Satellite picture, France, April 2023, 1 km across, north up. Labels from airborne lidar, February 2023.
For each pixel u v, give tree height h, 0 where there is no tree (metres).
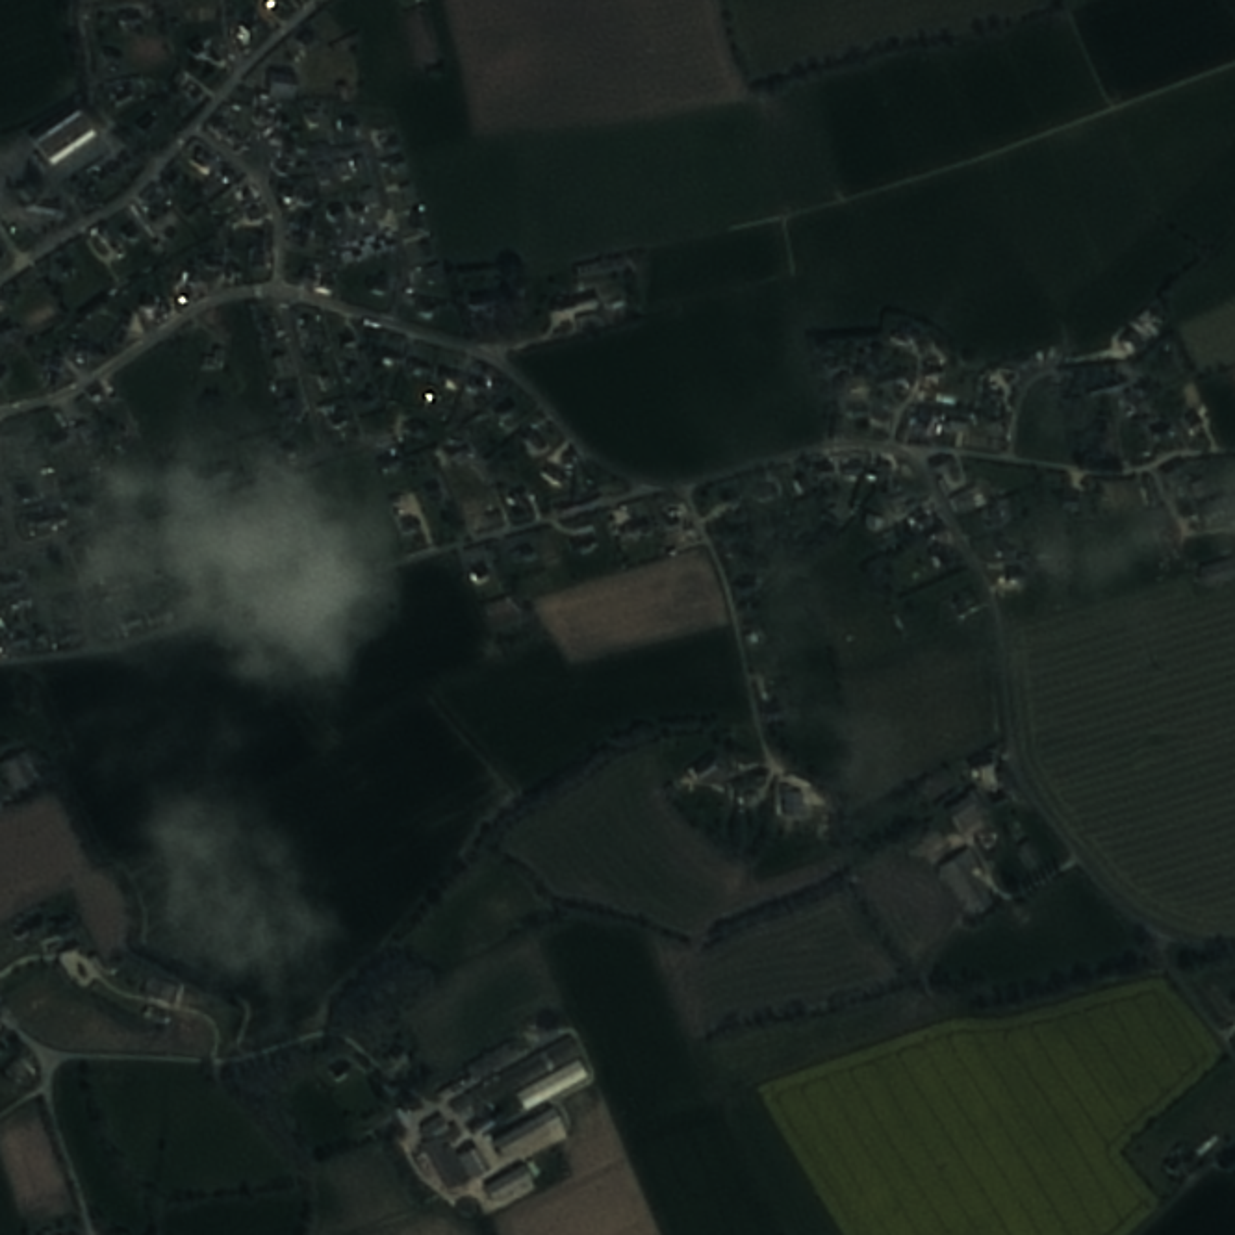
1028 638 0
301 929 0
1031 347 0
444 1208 0
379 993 21
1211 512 0
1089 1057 0
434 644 0
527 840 0
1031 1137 0
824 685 0
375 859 0
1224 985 0
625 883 0
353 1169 0
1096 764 0
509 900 0
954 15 0
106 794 0
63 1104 0
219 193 0
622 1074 0
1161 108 0
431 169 0
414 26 0
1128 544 0
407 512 0
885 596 15
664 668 0
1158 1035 0
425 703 0
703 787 0
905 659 0
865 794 0
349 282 0
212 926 0
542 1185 0
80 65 13
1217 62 0
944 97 0
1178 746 0
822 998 0
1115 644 0
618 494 0
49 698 0
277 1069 28
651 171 0
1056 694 0
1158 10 0
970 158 0
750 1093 0
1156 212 0
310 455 0
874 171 0
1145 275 0
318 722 0
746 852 23
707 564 0
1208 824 0
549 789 12
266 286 0
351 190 0
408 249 0
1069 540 0
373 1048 6
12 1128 0
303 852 0
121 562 0
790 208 0
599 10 0
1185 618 0
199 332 0
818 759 0
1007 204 0
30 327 0
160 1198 11
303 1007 0
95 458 0
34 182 19
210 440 0
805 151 0
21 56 0
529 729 0
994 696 0
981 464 0
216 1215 0
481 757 0
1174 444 0
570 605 0
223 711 0
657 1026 0
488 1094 0
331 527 0
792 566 13
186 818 0
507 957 0
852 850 15
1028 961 0
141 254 0
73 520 0
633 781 0
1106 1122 0
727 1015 0
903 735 0
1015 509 6
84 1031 0
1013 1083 0
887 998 13
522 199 0
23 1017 0
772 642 7
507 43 0
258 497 0
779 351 0
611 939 0
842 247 0
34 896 0
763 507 0
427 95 0
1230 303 0
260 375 0
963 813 0
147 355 0
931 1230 0
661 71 0
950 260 0
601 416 0
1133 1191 0
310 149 0
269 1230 0
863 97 0
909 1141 0
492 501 0
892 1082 0
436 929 0
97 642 0
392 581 0
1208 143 0
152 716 0
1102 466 14
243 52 0
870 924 10
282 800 0
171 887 0
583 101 0
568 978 0
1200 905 0
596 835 0
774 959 0
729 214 0
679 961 0
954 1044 0
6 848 0
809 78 9
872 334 7
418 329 0
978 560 0
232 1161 0
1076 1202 0
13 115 0
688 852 0
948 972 0
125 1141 0
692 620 0
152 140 0
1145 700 0
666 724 6
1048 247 0
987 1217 0
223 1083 12
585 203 0
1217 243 0
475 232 0
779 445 0
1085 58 0
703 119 0
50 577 0
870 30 0
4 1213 0
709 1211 0
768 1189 0
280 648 0
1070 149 0
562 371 0
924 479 0
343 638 0
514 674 0
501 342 12
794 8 0
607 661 0
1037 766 0
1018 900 19
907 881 0
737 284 0
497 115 0
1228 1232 0
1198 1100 0
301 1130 12
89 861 11
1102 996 0
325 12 6
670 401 0
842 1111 0
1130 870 0
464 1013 0
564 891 0
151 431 0
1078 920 0
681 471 0
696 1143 0
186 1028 0
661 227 0
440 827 0
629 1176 0
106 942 0
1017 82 0
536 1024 0
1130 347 0
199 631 0
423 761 0
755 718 0
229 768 0
